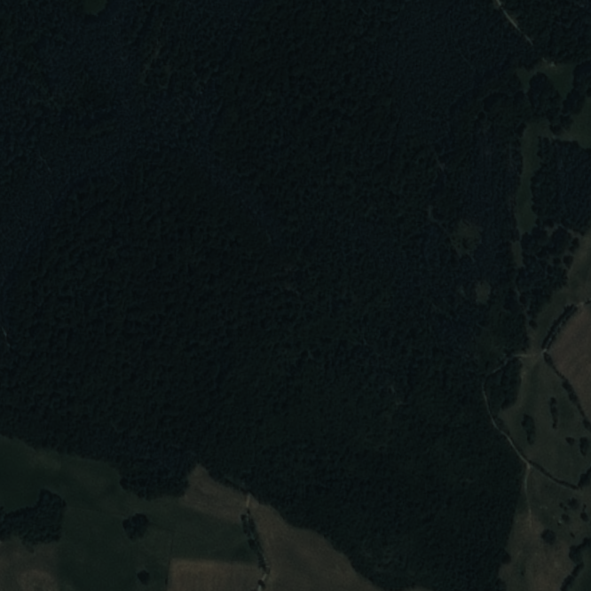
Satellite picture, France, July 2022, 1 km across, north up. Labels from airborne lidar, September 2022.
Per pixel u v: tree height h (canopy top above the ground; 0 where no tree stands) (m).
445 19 15
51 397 18
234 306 14
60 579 0
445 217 19
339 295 8
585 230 9
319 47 11
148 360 22
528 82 0
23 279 22
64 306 23
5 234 16
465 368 12
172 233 18
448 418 7
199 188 22
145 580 17
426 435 12
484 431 7
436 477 9
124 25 27
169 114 14
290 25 15
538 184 12
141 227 19
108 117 28
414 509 13
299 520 11
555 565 0
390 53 16
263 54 17
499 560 11
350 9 13
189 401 19
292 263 22
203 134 24
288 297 16
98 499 0
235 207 33
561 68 0
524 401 0
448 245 14
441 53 15
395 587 7
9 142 29
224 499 0
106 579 0
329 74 17
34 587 0
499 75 26
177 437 9
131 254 23
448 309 7
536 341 0
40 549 0
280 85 13
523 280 21
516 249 0
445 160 23
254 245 24
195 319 9
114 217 27
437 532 11
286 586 0
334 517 7
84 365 20
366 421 7
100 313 13
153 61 6
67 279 20
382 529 11
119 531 0
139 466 7
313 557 0
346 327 7
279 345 7
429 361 20
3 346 16
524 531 0
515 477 6
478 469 7
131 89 19
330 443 9
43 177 17
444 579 6
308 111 19
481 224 25
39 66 7
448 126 11
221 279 17
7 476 0
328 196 15
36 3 8
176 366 20
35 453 0
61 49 30
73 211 23
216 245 17
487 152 20
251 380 11
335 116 22
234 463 12
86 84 7
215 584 0
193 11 13
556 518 0
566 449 0
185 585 0
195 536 0
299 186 18
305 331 12
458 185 18
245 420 13
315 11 13
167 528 0
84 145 12
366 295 8
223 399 17
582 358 0
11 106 25
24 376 14
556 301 0
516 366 9
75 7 27
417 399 8
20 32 29
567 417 0
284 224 16
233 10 18
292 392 9
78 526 0
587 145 0
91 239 24
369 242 16
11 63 27
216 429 12
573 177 26
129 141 14
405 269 15
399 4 16
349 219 15
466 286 18
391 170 18
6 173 24
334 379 11
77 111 5
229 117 24
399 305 17
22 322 18
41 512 13
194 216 17
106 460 11
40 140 19
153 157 25
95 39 20
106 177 29
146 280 24
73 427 10
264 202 28
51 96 6
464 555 8
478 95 20
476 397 9
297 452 18
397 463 6
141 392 14
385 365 18
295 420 8
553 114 23
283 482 19
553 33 21
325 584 0
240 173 8
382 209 13
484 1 11
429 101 17
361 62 15
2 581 0
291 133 16
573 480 0
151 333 22
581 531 0
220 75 27
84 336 23
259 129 15
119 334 11
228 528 0
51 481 0
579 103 17
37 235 20
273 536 0
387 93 20
